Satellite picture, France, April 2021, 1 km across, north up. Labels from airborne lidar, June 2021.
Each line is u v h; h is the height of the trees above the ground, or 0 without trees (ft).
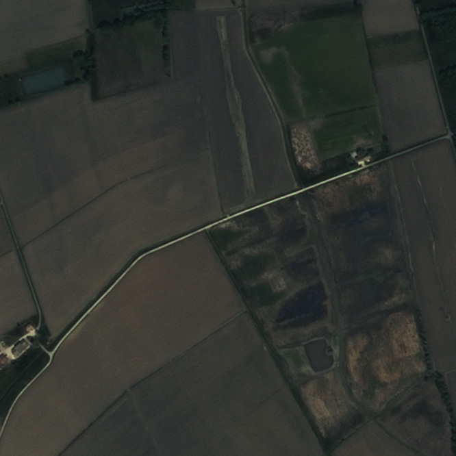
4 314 0
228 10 0
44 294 0
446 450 0
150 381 0
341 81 0
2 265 0
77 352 0
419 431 0
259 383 0
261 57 0
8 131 0
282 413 0
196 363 0
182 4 0
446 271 0
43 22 0
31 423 0
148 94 0
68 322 0
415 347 0
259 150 0
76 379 0
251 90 0
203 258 0
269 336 0
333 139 0
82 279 0
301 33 0
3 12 0
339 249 0
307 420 0
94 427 0
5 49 0
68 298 0
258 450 0
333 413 0
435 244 0
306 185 0
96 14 0
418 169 0
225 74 0
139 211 0
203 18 0
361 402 0
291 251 0
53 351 0
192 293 0
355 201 0
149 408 0
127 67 0
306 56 0
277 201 0
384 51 0
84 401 0
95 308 0
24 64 0
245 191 0
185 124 0
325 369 0
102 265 0
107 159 0
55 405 0
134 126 0
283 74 0
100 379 0
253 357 0
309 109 0
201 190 0
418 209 0
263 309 0
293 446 0
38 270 0
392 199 0
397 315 0
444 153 0
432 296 0
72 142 0
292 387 0
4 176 0
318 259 0
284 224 0
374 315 0
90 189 0
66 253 0
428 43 0
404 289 0
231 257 0
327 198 0
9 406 0
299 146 0
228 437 0
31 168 0
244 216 0
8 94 0
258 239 0
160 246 0
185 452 0
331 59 0
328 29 0
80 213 0
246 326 0
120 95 0
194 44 0
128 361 0
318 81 0
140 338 0
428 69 0
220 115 0
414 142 0
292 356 0
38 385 0
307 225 0
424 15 44
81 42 0
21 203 0
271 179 0
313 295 0
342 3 0
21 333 0
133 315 0
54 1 0
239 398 0
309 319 0
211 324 0
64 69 0
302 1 0
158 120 0
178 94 0
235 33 0
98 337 0
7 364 0
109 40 0
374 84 0
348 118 0
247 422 0
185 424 0
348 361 0
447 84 31
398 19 0
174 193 0
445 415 0
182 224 0
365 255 0
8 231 0
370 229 0
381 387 0
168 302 0
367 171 0
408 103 0
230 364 0
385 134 0
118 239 0
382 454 0
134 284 0
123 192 0
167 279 0
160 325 0
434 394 0
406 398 0
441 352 0
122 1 0
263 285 0
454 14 41
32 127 0
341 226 0
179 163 0
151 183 0
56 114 0
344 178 0
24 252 0
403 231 0
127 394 0
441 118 0
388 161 0
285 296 0
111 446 0
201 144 0
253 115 0
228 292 0
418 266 0
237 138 0
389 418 0
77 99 0
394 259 0
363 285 0
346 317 0
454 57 0
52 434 0
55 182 0
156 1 22
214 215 0
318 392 0
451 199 0
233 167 0
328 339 0
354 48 0
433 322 0
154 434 0
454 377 0
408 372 0
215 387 0
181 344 0
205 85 0
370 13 0
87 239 0
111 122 0
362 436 0
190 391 0
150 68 0
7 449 0
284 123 0
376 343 0
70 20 0
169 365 0
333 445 0
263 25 0
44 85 0
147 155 0
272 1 0
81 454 0
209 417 0
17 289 0
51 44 0
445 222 0
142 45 0
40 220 0
